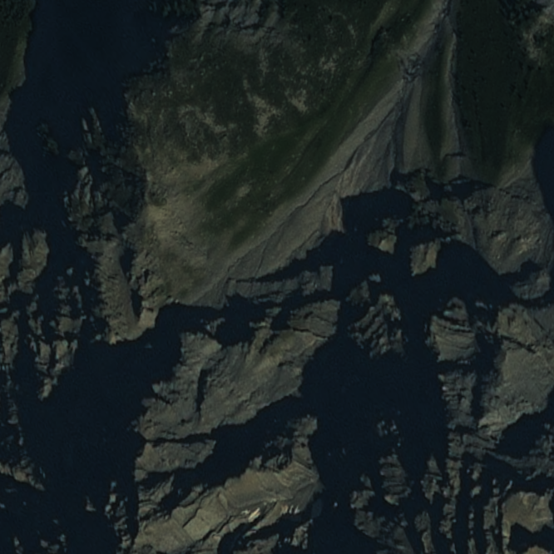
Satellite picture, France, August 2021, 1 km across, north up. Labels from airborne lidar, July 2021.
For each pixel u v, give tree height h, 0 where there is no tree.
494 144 0
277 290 0
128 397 0
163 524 0
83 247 0
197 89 0
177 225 0
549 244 0
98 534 0
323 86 0
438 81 0
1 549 0
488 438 0
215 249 0
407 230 0
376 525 0
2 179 0
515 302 0
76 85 0
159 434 0
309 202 0
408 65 0
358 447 0
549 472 0
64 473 0
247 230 0
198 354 0
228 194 0
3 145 0
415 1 0
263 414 0
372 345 0
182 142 0
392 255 0
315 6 0
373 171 0
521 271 0
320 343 0
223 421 0
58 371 0
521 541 0
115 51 0
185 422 0
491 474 0
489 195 0
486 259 0
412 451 0
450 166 0
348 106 0
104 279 0
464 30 0
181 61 0
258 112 0
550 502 0
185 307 0
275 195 0
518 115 0
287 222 0
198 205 0
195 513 0
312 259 0
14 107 0
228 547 0
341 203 0
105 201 0
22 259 0
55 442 0
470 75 0
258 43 0
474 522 0
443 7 0
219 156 0
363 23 0
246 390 0
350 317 0
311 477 0
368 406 0
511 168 0
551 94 0
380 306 0
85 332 0
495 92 0
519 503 0
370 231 0
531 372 0
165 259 0
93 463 0
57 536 0
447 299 0
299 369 0
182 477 0
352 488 0
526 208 0
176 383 0
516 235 0
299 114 0
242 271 0
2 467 0
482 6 0
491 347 0
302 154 0
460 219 0
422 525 0
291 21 0
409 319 0
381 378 0
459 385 0
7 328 0
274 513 0
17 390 0
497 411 0
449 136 0
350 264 0
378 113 0
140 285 0
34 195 0
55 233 0
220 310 0
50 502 0
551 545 0
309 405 0
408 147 0
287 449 0
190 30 0
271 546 0
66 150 0
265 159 0
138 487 0
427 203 0
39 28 0
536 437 0
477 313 0
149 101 0
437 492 0
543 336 0
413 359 0
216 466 0
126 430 0
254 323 0
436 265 0
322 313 0
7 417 0
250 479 0
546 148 0
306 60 0
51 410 0
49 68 0
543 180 0
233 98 0
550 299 0
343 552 0
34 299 0
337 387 0
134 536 0
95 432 0
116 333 0
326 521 0
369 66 0
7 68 0
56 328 0
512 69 0
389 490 0
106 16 12
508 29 0
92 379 0
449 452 0
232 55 0
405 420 0
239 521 0
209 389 0
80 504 0
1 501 0
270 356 0
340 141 0
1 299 0
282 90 0
